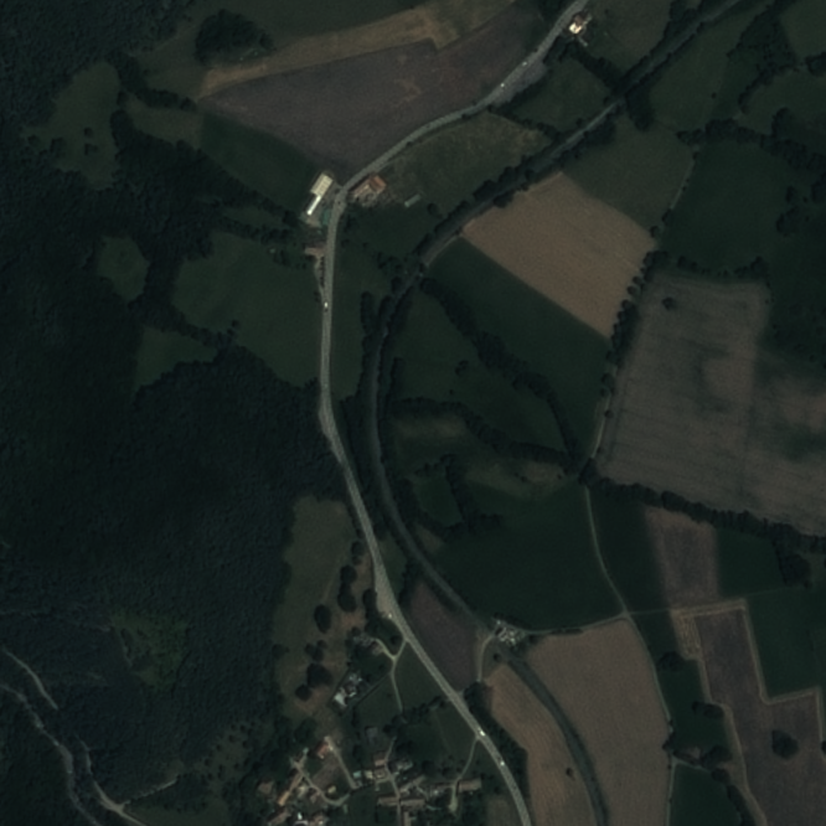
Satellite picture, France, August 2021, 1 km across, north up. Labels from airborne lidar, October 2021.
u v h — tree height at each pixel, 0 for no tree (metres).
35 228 19
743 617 0
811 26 0
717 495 0
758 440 0
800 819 0
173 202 22
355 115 0
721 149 0
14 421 21
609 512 0
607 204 0
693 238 0
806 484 0
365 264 0
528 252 0
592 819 0
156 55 0
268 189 0
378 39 0
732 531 14
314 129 0
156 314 24
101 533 20
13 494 18
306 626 0
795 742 9
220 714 14
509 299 0
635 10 0
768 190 0
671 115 0
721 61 0
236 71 0
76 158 0
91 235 21
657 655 0
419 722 6
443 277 0
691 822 0
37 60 16
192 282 0
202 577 18
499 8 0
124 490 23
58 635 24
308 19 0
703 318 0
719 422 0
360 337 0
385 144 0
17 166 20
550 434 0
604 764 0
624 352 15
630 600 0
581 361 0
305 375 0
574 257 0
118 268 0
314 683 18
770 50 10
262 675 15
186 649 8
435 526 14
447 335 0
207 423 22
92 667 15
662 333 0
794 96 0
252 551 8
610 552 0
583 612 0
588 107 0
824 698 0
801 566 22
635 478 0
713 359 0
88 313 28
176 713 10
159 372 0
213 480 18
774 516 0
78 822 19
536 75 0
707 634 0
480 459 0
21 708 10
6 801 18
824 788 0
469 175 0
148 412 34
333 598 0
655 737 0
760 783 0
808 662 0
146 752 12
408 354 0
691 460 0
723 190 0
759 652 0
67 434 22
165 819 0
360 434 14
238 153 0
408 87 0
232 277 0
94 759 16
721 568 0
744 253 0
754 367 0
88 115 0
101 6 14
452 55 0
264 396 21
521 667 0
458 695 0
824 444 0
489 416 0
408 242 0
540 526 0
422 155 0
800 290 0
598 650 0
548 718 0
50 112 16
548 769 0
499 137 0
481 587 0
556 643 0
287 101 0
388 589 0
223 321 0
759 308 0
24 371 17
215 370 26
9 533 20
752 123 0
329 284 0
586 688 0
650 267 9
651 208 0
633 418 0
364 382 11
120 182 8
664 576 0
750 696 0
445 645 0
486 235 0
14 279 17
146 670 6
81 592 21
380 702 0
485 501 0
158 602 15
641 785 0
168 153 21
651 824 0
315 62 0
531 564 0
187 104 16
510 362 17
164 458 24
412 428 0
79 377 32
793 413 0
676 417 0
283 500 20
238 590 16
